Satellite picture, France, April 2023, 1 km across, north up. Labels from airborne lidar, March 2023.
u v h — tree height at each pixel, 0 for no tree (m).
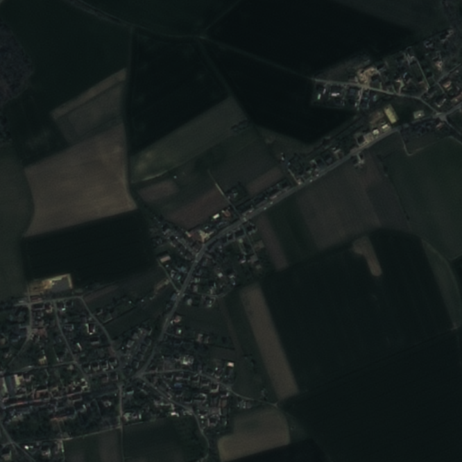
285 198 0
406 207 0
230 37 0
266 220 0
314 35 0
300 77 0
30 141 0
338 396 0
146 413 10
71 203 0
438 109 9
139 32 0
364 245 0
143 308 6
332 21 0
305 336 0
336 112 0
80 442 0
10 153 0
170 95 0
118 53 0
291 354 0
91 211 0
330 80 0
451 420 0
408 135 7
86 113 0
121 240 0
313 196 0
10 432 14
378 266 0
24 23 0
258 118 0
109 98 0
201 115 0
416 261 0
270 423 0
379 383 0
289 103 0
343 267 0
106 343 12
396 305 0
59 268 0
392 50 0
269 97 0
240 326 0
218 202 0
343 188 0
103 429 14
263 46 0
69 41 0
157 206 0
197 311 0
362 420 0
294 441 0
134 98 0
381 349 0
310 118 0
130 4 0
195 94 0
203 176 0
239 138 0
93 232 0
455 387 0
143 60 0
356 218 0
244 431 0
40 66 0
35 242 0
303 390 0
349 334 0
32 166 0
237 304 0
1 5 0
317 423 0
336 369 0
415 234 0
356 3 0
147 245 0
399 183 0
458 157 0
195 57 0
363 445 0
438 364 0
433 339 0
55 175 0
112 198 0
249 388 0
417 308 0
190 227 0
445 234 0
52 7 0
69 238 0
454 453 0
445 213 0
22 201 0
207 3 0
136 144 0
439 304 0
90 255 0
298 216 0
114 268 0
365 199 0
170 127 0
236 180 0
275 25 0
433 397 0
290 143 0
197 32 0
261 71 0
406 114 0
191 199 0
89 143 0
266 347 0
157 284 0
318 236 0
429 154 0
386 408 0
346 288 0
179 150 0
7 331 10
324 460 0
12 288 0
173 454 0
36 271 0
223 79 0
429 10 0
